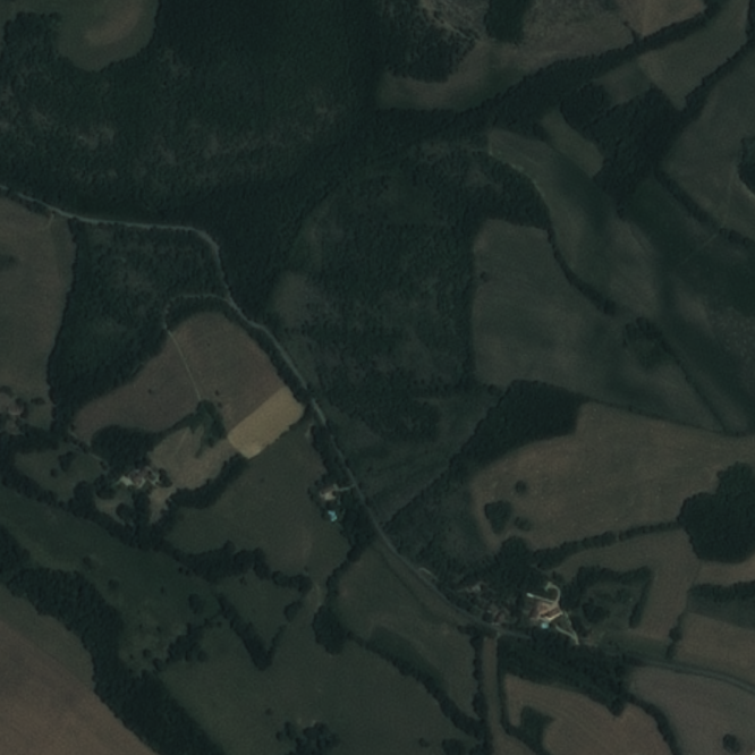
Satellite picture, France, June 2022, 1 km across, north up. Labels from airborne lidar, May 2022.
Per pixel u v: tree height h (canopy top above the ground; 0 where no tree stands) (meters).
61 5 0
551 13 0
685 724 0
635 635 0
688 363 0
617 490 0
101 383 17
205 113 8
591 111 12
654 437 0
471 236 15
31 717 0
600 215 0
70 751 0
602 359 0
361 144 16
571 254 0
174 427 7
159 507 0
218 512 0
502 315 0
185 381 0
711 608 0
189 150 7
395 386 12
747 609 0
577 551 12
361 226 7
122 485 0
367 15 11
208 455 0
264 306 9
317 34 9
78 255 10
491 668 0
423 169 14
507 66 0
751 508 10
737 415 0
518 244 0
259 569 19
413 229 8
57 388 15
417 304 0
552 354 0
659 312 0
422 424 9
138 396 0
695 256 0
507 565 11
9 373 0
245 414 0
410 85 0
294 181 11
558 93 16
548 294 0
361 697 0
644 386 0
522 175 6
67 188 15
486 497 0
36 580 25
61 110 7
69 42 0
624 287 0
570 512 0
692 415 0
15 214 0
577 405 13
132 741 0
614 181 10
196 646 14
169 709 8
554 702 0
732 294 0
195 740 14
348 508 9
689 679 0
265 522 0
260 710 0
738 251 0
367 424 8
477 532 0
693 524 14
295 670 0
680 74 0
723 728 0
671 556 0
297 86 7
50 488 0
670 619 0
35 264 0
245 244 15
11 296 0
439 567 8
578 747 0
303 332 9
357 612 0
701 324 0
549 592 8
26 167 13
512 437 11
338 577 14
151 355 11
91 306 6
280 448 0
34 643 0
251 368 0
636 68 0
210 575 15
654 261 0
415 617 0
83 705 0
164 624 0
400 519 13
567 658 10
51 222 0
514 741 0
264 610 0
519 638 9
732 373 0
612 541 11
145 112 8
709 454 0
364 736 0
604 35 0
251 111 10
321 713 0
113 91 8
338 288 10
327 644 13
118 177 7
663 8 0
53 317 0
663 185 7
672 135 11
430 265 8
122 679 21
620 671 15
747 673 0
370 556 0
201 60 13
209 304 7
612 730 0
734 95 0
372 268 6
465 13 0
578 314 0
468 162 8
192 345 0
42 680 0
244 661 0
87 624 19
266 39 12
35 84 9
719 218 0
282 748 0
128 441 15
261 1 12
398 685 0
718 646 0
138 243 6
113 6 0
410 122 11
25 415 12
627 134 12
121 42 0
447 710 18
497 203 11
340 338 9
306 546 0
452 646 0
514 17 11
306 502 0
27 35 10
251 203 13
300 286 0
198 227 12
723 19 0
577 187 0
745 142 8
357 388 7
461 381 10
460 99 0
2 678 0
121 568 0
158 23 14
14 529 0
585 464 0
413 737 0
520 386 11
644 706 12
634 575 6
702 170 0
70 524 0
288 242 11
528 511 0
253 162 8
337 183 10
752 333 0
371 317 7
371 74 15
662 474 0
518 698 0
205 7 12
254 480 0
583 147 0
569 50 0
